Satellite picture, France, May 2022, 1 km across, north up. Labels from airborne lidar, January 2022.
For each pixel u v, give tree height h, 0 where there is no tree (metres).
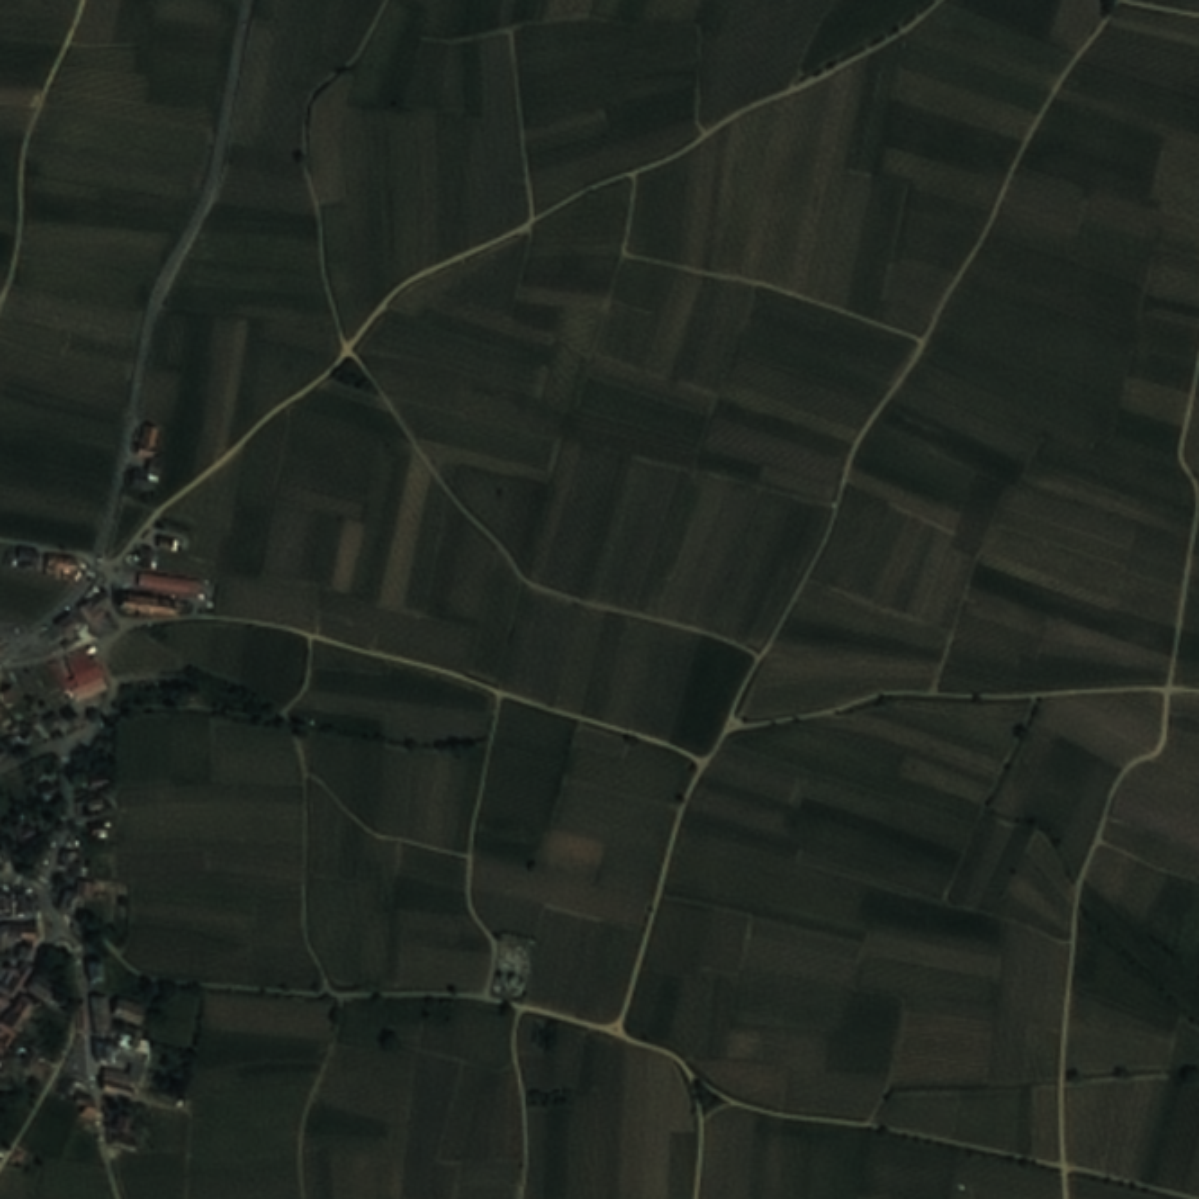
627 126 0
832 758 0
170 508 0
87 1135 0
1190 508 0
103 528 0
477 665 0
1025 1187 0
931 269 0
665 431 0
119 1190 0
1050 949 0
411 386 0
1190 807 0
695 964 0
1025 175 0
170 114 0
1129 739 0
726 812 0
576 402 0
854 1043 0
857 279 0
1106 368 0
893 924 0
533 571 0
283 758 0
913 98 0
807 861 0
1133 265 0
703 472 0
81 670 0
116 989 0
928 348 0
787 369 0
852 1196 0
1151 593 0
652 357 0
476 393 0
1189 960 0
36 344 0
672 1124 0
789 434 0
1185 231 0
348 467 0
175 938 0
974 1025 0
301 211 0
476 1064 0
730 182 0
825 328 0
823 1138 0
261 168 0
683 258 0
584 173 0
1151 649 0
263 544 0
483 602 0
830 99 0
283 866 0
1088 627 0
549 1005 0
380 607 0
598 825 0
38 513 0
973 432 0
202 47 0
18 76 0
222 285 0
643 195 0
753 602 0
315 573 0
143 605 0
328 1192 0
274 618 0
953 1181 0
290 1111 0
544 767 0
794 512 0
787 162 0
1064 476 0
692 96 0
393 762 0
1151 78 0
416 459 0
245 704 6
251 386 0
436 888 0
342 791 0
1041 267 0
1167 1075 0
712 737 0
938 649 0
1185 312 0
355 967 0
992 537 0
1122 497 0
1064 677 0
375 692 0
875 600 0
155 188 0
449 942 0
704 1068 0
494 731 0
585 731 0
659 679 0
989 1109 0
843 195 0
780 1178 0
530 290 0
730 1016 0
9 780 0
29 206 0
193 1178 0
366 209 0
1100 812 0
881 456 0
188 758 0
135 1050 0
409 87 0
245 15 0
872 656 0
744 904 0
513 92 0
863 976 0
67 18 0
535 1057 0
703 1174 0
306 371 0
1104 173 0
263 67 0
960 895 0
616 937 0
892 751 0
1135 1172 0
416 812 0
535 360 0
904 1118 0
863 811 0
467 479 0
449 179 0
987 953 0
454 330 0
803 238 0
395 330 0
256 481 0
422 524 0
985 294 0
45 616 0
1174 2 0
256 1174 0
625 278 0
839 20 0
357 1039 0
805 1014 0
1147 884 0
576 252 0
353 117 0
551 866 0
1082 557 0
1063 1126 0
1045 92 0
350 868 0
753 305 0
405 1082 0
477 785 0
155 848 0
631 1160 0
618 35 0
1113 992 0
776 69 0
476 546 0
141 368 0
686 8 0
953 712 0
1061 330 0
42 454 0
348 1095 0
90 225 0
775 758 0
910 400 0
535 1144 0
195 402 0
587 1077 0
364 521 0
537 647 0
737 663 0
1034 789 0
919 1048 0
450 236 0
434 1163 0
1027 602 0
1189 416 0
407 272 0
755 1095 0
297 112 0
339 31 0
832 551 0
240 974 0
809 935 0
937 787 0
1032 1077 0
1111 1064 0
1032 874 0
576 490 0
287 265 0
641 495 0
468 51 0
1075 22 0
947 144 0
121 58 0
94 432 0
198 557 0
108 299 0
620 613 0
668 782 0
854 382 0
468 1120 0
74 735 0
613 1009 0
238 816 0
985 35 0
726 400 0
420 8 0
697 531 0
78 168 0
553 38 0
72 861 0
